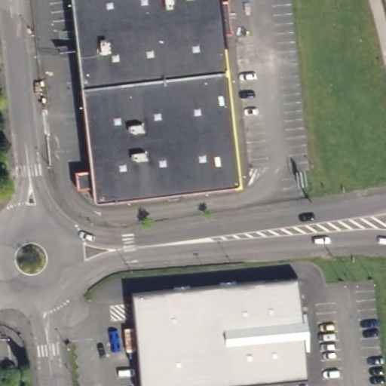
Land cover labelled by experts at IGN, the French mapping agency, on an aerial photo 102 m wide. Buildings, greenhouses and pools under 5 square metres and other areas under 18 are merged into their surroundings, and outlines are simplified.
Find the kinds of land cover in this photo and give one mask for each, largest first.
<instances>
[{"label":"impervious surface","instance_id":"1","mask_svg":"<svg viewBox=\"0 0 386 386\"><path fill-rule=\"evenodd\" d=\"M223 6L228 17V48L225 50V66L231 103L238 187L160 198L107 202L103 196H98V201H93V191L78 193L75 184V173L89 170V157L81 109L83 103L71 0H0V179L9 173V178L14 182V193L9 202L0 201V369L23 371V368L30 366L33 386H72L69 344L77 347L80 386H142L134 297L280 282H296L299 285L302 314L308 317L311 333V351L306 354L308 374L300 380L267 381L235 386H384L374 282L366 280L329 283L321 268L314 265V262L317 258L335 256H386V185L324 198H311L306 193V170H309L308 140L291 0H225ZM27 244L35 246L42 259L41 267L33 273L23 270L18 264V256ZM226 261H244L249 264H261L262 267L172 276L130 277L122 282L113 280L107 283L90 300L84 299L83 296L92 283L113 271ZM380 39L386 78V0H369Z\"/></svg>","mask_w":386,"mask_h":386},{"label":"building","instance_id":"2","mask_svg":"<svg viewBox=\"0 0 386 386\"><path fill-rule=\"evenodd\" d=\"M225 0H71L83 103L81 109L89 157V170L75 173V184L78 193L93 191V201H98V196H103L107 202L160 198L238 187L231 103L225 66V50L228 48V17L223 6ZM142 386H235L267 381L300 380L308 374L306 354L311 351V333L308 317L302 314L299 285L296 282H280L134 297Z\"/></svg>","mask_w":386,"mask_h":386},{"label":"herbaceous vegetation","instance_id":"3","mask_svg":"<svg viewBox=\"0 0 386 386\"><path fill-rule=\"evenodd\" d=\"M308 140L309 170H306V193L311 198H324L386 185V78L380 39L369 0H291ZM18 264L23 270L33 273L41 267L42 259L35 246L27 244L18 256ZM314 265L321 268L329 283L366 280L374 282L384 386H386V256H335L317 258L314 262ZM262 267L261 264H249L244 261H226L113 271L92 283L83 296L84 299L90 300L107 283L113 280L122 282L130 277L172 276ZM72 386H80L77 347L69 344Z\"/></svg>","mask_w":386,"mask_h":386},{"label":"deciduous trees","instance_id":"4","mask_svg":"<svg viewBox=\"0 0 386 386\"><path fill-rule=\"evenodd\" d=\"M14 193V182L9 178V173L0 179V201L9 202ZM0 386H33L30 366L23 368V371L0 369Z\"/></svg>","mask_w":386,"mask_h":386}]
</instances>
